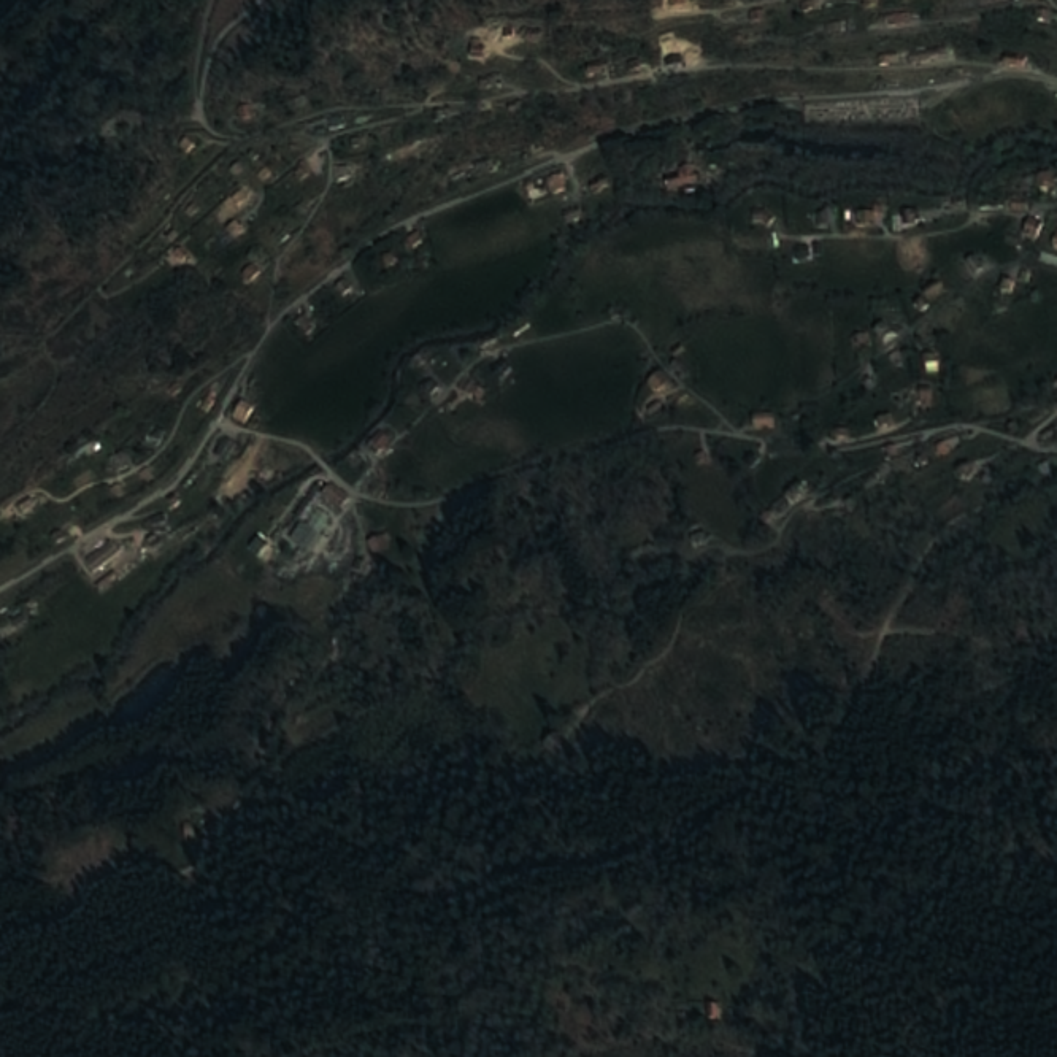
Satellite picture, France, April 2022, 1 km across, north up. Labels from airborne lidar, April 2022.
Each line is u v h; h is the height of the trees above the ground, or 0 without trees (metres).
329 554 0
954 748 9
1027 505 16
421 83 17
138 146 6
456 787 22
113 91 24
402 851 11
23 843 8
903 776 16
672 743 0
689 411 0
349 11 19
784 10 0
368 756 10
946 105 0
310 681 13
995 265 0
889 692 12
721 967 0
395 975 13
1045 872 29
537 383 0
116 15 7
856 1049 26
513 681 0
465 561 27
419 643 11
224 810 0
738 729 0
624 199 18
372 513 0
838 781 21
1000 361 0
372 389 0
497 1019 20
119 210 17
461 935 18
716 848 27
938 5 0
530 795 18
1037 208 0
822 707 34
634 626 19
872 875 29
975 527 6
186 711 30
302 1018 17
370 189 6
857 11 7
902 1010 26
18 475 10
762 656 0
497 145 9
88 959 28
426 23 17
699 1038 15
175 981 24
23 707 7
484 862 14
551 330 0
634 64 0
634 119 14
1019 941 25
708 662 0
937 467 0
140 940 27
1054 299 0
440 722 14
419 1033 13
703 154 12
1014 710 16
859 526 0
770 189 14
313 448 0
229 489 0
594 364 0
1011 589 22
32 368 0
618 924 11
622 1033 14
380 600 12
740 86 7
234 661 0
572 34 15
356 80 17
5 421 0
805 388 0
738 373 0
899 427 0
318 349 0
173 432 0
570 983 14
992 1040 28
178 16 6
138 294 0
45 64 8
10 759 0
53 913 8
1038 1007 26
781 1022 20
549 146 0
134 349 9
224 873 29
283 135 16
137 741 28
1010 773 21
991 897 27
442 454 0
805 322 0
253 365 0
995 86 0
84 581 0
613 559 18
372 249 8
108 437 10
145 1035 28
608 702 0
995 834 21
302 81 17
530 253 0
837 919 36
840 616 0
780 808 30
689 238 0
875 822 21
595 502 15
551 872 18
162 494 0
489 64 0
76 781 8
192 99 8
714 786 25
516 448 0
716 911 28
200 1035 27
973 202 10
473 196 0
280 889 22
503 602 0
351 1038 7
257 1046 8
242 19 0
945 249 0
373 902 15
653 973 0
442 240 0
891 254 0
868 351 10
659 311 0
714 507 0
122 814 31
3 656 21
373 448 0
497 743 13
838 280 0
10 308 0
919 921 30
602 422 0
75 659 0
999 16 16
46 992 30
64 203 13
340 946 15
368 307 0
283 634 29
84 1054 26
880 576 7
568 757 9
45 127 21
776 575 8
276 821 8
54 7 25
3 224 26
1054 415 0
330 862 18
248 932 35
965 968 26
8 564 0
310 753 8
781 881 21
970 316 0
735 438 0
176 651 0
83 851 0
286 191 0
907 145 20
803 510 0
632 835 17
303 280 0
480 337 0
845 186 14
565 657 17
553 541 13
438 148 6
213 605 0
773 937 17
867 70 0
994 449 0
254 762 17
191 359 12
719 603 0
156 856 10
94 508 0
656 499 24
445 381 0
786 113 7
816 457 23
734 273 0
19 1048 26
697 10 0
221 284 14
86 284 0
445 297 0
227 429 0
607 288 0
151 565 0
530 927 16
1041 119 0
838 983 32
